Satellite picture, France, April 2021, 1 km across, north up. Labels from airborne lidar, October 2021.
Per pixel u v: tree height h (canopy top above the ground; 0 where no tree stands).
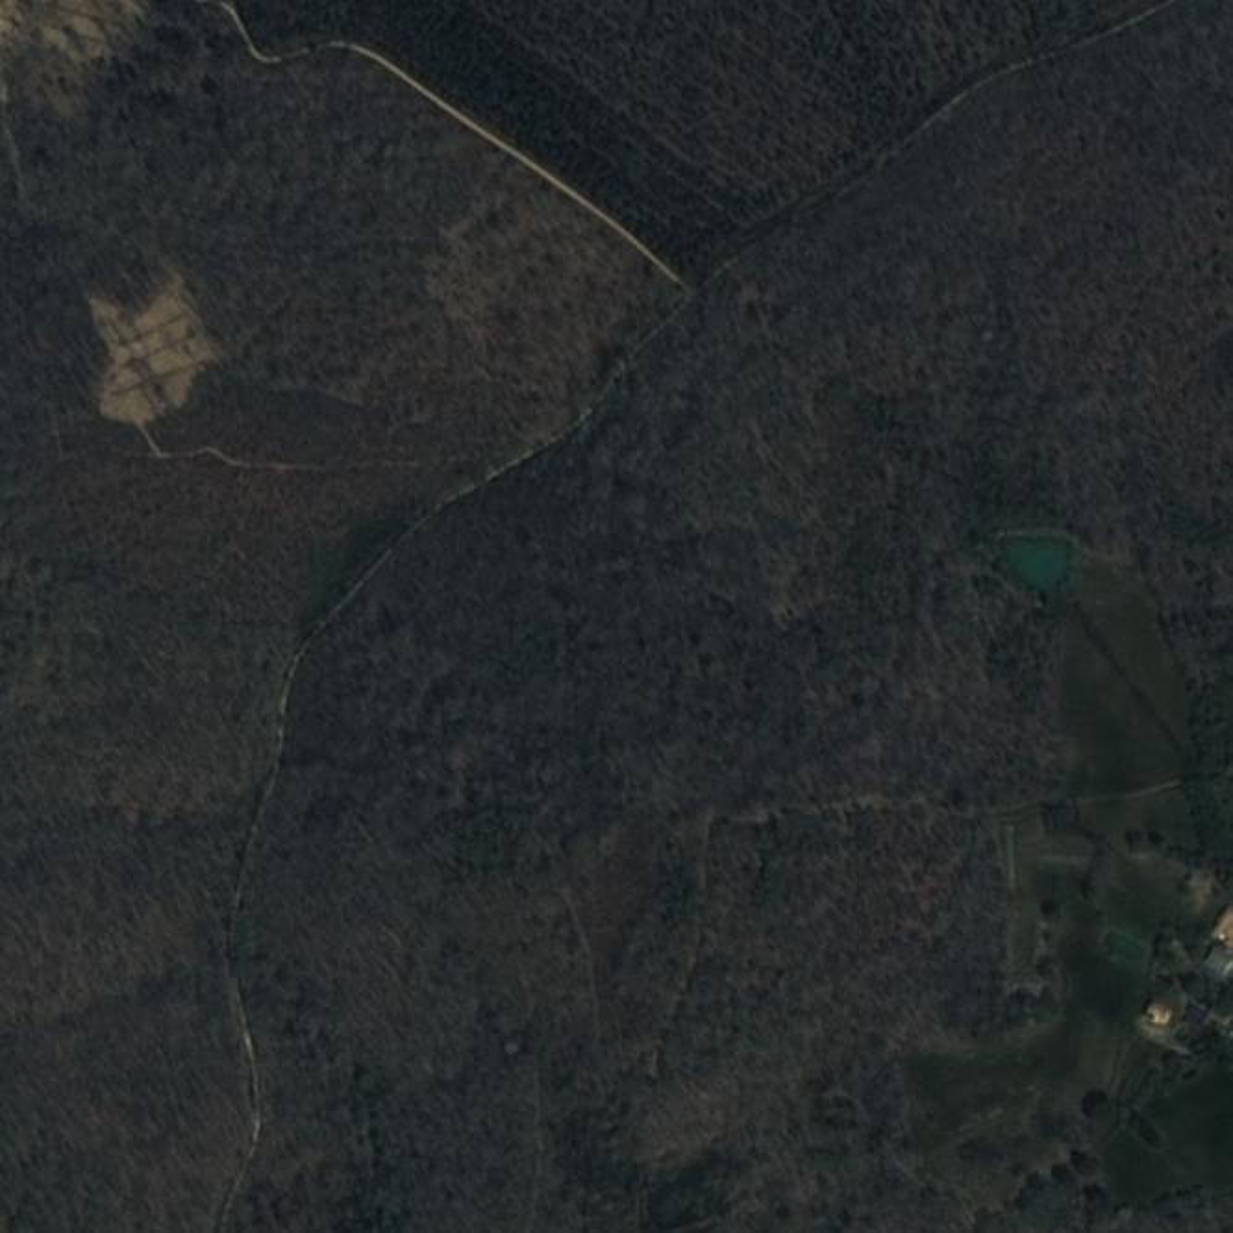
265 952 24
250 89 11
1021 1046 0
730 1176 9
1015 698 13
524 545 12
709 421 22
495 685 15
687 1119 18
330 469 8
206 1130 22
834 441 8
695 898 13
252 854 21
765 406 18
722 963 14
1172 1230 17
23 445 13
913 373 15
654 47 14
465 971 22
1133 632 0
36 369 13
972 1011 19
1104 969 0
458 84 18
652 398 18
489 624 14
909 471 17
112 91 17
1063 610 0
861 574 9
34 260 19
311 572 13
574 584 20
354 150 11
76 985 19
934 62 14
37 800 26
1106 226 7
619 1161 8
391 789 19
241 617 12
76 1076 19
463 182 15
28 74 22
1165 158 13
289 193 24
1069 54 12
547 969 11
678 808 9
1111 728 0
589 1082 11
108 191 17
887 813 8
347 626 15
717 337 22
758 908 14
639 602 13
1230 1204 9
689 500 21
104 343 17
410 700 16
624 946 10
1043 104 11
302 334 24
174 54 21
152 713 17
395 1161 21
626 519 19
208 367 11
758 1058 20
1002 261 14
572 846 19
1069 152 8
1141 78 13
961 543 15
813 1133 19
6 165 24
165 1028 21
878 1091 19
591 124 18
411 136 8
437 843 20
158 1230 22
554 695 16
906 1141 8
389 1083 24
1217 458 12
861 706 10
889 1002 19
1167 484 14
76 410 16
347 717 14
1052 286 10
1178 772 0
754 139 12
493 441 6
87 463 8
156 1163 23
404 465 7
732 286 11
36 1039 22
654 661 10
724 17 14
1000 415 19
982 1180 0
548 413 24
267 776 21
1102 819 0
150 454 7
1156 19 13
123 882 13
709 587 21
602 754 10
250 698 18
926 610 19
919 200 14
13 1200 22
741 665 14
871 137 16
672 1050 19
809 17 17
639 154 11
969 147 13
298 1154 17
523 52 15
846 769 13
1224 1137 0
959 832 8
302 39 16
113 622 22
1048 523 11
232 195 16
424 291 18
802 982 13
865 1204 19
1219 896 7
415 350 19
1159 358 9
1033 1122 0
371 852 22
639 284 23
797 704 11
